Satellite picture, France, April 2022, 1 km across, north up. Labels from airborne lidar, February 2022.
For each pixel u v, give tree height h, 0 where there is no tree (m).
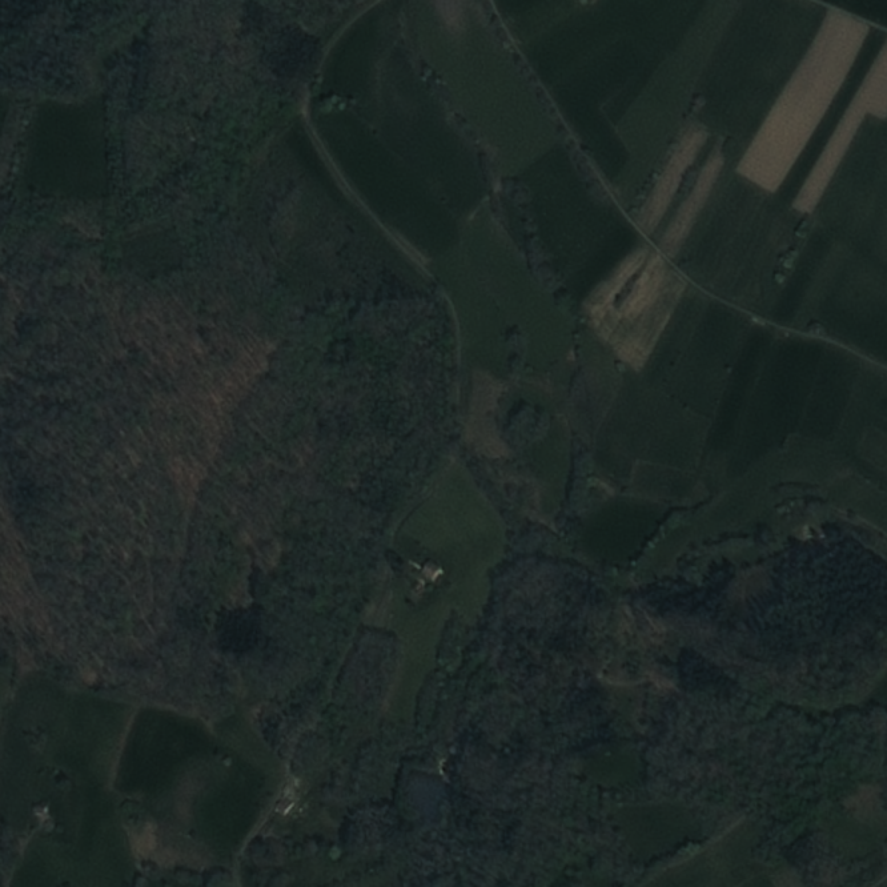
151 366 18
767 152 0
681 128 0
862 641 26
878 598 31
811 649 17
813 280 0
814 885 17
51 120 0
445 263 0
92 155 0
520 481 0
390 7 0
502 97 0
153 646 33
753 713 26
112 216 10
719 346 0
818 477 0
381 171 0
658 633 28
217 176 28
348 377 27
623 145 0
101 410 28
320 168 0
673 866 5
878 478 0
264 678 25
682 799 19
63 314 30
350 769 11
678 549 0
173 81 28
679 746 20
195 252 15
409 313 21
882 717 21
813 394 0
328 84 0
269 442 32
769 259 0
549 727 14
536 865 26
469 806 29
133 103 23
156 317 21
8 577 19
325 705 18
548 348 0
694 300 0
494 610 21
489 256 0
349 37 0
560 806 24
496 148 0
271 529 28
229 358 16
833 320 0
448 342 15
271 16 28
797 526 0
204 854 0
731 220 0
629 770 0
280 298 27
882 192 0
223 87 31
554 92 0
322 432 26
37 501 26
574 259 0
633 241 0
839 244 0
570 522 18
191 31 24
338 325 25
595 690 28
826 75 0
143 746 0
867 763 26
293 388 32
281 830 13
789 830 21
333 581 26
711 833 24
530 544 23
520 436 21
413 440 21
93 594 23
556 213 0
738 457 0
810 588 20
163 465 25
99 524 27
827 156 0
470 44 0
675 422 0
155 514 29
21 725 0
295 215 13
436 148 0
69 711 0
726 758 10
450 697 17
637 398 0
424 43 0
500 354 0
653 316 0
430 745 11
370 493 19
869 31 0
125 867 0
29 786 0
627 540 0
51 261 21
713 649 23
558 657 11
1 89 21
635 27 0
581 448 13
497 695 22
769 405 0
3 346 26
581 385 14
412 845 21
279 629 20
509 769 22
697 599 22
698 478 0
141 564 28
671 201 0
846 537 24
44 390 29
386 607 0
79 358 28
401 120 0
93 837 0
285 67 31
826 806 24
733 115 0
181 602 33
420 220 0
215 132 30
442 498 0
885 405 0
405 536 0
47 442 31
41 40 26
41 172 0
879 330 0
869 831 0
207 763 0
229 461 31
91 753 0
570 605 18
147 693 28
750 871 0
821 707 15
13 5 21
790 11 0
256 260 28
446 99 22
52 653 18
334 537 21
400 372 23
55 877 0
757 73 0
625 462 0
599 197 13
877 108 0
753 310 0
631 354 0
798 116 0
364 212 0
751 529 0
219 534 30
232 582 32
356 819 26
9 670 14
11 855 23
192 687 29
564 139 13
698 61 0
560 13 0
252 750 0
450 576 0
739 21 0
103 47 21
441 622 0
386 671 25
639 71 0
